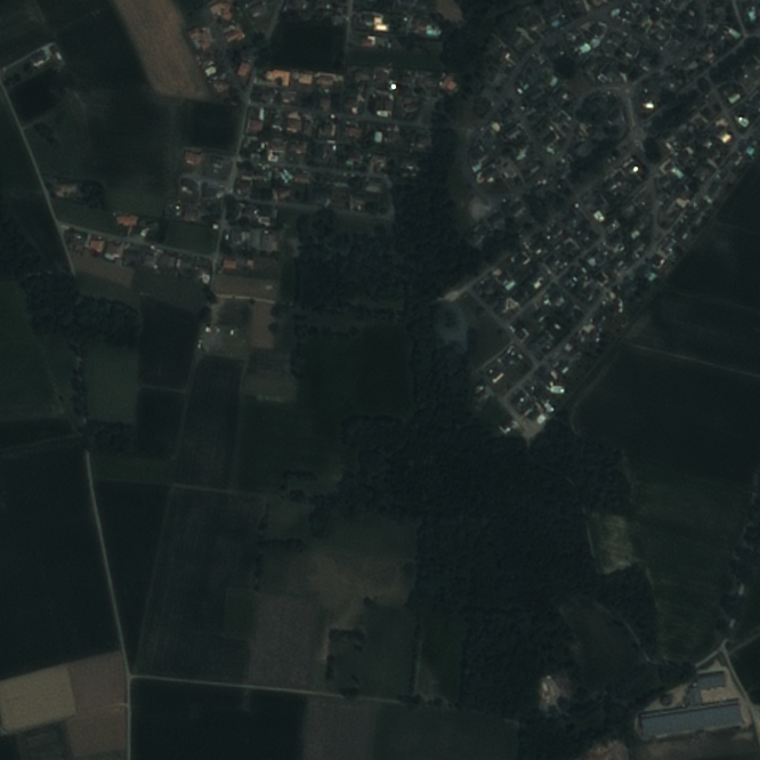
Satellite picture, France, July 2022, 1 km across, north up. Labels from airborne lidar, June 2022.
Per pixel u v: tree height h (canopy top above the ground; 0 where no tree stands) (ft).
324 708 0
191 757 0
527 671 80
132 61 0
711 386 0
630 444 0
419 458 56
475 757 0
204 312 43
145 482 0
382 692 0
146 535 0
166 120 0
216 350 0
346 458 0
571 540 49
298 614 0
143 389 0
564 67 83
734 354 0
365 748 0
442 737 0
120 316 79
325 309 52
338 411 0
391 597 0
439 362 67
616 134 51
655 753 0
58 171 0
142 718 0
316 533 26
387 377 0
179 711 0
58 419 0
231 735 0
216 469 0
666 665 56
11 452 0
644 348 0
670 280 0
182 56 0
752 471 0
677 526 0
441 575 87
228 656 0
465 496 42
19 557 0
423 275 81
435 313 54
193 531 0
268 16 0
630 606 43
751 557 71
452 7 0
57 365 0
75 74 0
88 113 0
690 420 0
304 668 0
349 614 0
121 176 0
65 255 0
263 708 0
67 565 0
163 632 0
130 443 66
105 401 0
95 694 0
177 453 0
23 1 0
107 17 0
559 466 52
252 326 0
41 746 0
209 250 0
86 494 0
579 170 20
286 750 0
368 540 0
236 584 0
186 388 0
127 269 0
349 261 86
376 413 0
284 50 0
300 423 0
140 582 0
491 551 19
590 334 0
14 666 0
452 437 82
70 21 0
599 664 0
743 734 0
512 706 77
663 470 0
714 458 0
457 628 0
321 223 25
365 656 0
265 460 0
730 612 57
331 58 0
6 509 0
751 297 0
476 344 46
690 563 0
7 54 0
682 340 0
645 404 0
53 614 0
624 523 0
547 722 70
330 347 0
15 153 0
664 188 22
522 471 63
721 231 0
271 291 0
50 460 0
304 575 0
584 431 0
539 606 87
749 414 0
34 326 51
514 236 49
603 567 0
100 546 0
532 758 75
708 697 0
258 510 0
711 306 0
